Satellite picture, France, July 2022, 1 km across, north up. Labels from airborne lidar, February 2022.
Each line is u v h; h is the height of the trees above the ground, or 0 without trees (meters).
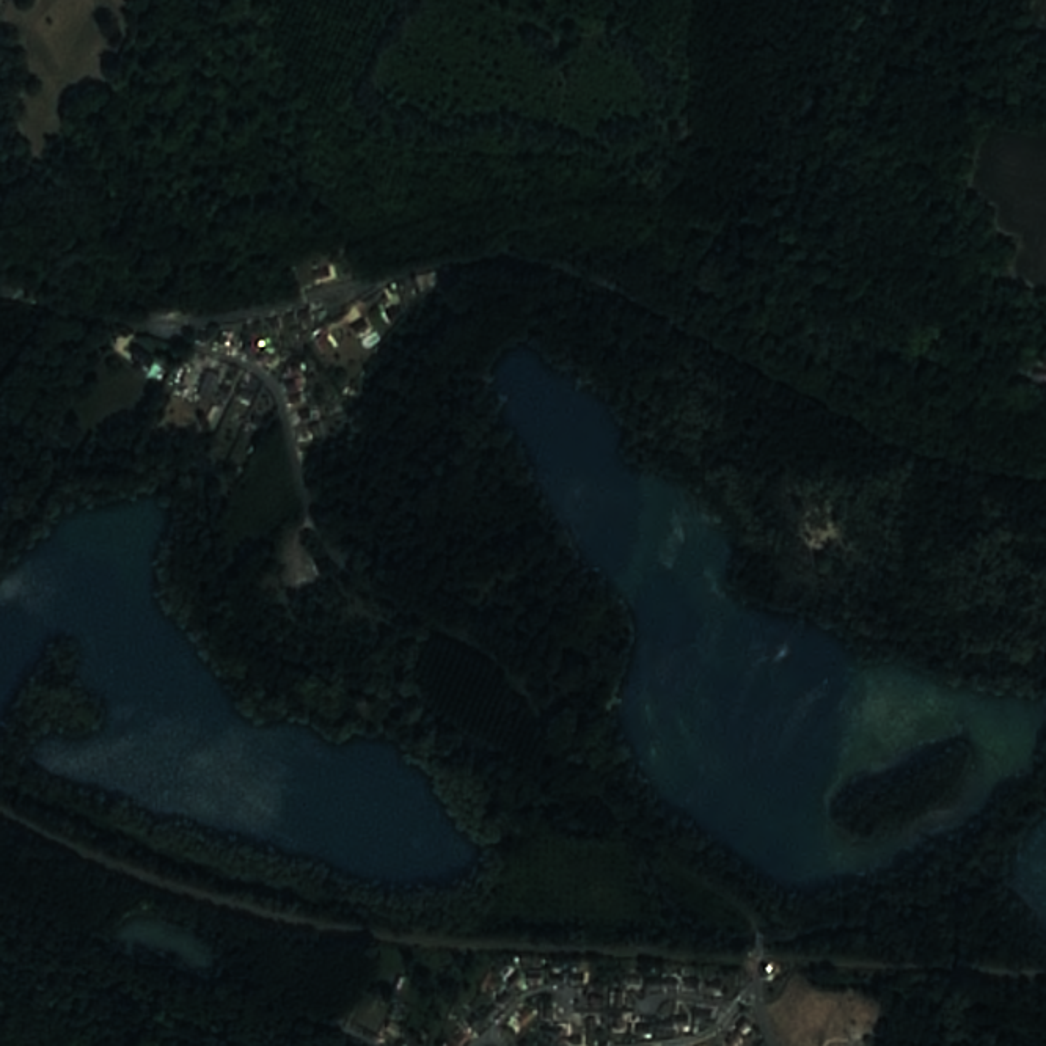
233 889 23
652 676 0
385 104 19
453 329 34
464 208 16
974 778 0
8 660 0
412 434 18
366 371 8
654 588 0
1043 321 6
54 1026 21
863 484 15
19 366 25
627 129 19
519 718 20
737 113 19
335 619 21
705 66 14
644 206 18
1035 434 23
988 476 12
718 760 0
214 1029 28
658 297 22
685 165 15
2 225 28
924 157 8
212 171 17
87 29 0
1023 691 14
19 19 0
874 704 0
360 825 0
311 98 11
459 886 25
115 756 0
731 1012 0
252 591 11
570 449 0
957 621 16
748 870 23
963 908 28
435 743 25
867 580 10
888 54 14
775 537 20
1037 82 20
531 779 24
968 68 22
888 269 21
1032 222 0
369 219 9
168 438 20
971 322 9
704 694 0
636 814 26
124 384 0
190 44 19
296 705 17
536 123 10
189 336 13
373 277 16
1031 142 0
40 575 0
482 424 30
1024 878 0
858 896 22
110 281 29
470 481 36
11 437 13
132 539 0
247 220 19
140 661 0
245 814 0
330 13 5
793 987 0
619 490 0
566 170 10
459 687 20
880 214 21
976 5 14
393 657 8
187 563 17
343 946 24
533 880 0
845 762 0
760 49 23
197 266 17
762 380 22
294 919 0
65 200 22
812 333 26
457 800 22
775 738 0
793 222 27
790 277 18
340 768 0
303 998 22
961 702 0
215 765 0
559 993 0
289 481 0
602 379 19
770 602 13
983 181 0
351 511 24
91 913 21
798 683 0
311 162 19
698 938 20
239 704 16
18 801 21
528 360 0
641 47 19
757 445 14
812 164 20
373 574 25
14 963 23
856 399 21
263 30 20
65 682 25
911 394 26
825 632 0
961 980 27
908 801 20
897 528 20
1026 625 25
